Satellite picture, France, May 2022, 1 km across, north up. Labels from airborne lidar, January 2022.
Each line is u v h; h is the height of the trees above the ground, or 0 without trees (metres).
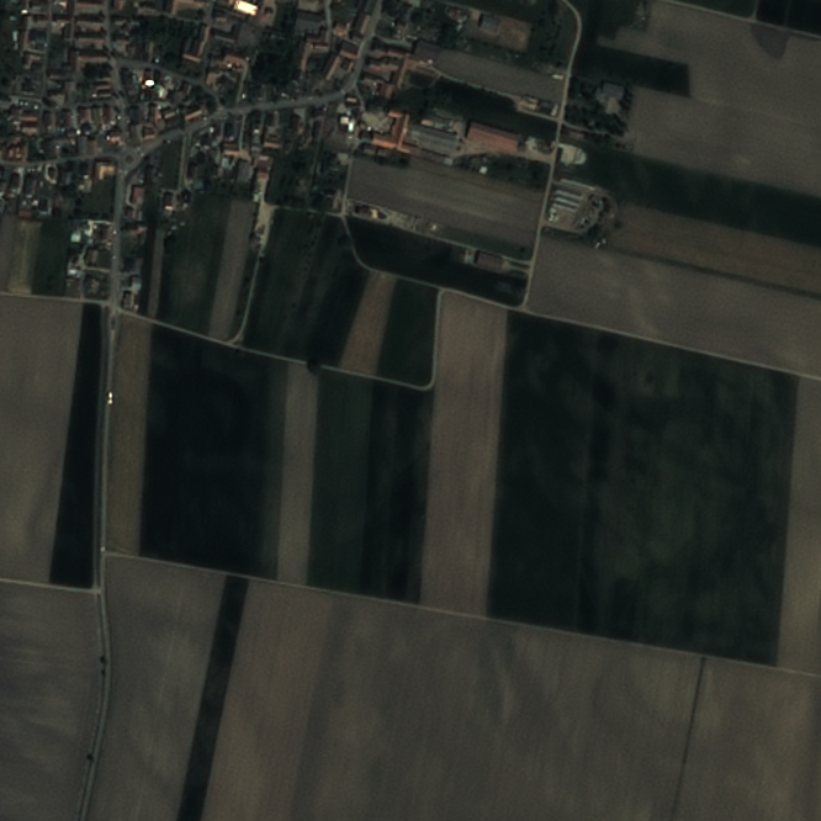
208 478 0
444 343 0
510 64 0
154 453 0
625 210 0
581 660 0
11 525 0
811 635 0
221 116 0
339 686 0
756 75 0
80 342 0
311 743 0
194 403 0
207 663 0
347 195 0
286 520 0
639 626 0
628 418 0
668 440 0
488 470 0
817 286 0
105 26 0
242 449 0
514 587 0
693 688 0
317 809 0
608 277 0
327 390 0
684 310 0
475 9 0
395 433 0
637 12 0
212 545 0
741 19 0
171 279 0
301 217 0
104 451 0
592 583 0
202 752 0
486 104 0
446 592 0
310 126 11
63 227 0
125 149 0
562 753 0
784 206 0
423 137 0
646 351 0
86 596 0
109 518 0
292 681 0
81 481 0
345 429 0
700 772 0
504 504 0
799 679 0
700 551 0
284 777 0
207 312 0
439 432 0
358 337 0
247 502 0
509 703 0
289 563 0
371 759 0
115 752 0
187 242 0
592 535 0
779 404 0
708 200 0
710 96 0
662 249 0
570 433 0
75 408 0
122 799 0
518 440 0
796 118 0
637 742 0
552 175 0
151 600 0
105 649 0
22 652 0
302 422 0
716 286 0
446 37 11
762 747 0
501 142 0
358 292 0
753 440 0
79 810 0
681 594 0
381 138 0
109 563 0
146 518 0
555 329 0
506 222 0
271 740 0
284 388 0
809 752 0
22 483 0
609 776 0
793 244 0
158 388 0
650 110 0
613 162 0
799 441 0
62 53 0
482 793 0
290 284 0
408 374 0
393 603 0
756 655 0
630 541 0
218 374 0
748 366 0
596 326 0
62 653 0
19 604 0
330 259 0
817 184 0
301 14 0
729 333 0
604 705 0
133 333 0
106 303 0
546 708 0
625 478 0
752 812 0
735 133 0
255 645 0
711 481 0
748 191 0
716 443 0
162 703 0
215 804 0
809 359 0
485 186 0
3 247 0
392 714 0
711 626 0
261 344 0
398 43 0
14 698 0
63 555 0
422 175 0
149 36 8
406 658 0
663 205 0
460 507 0
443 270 0
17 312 0
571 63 0
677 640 0
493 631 0
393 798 0
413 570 0
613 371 0
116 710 0
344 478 0
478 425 0
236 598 0
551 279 0
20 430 0
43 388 0
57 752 0
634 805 0
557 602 0
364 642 0
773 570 0
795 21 0
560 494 0
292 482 0
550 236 0
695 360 0
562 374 0
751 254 0
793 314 0
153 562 0
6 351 0
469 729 0
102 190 0
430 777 0
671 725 0
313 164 0
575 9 0
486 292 0
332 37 0
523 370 0
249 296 0
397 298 0
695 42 0
